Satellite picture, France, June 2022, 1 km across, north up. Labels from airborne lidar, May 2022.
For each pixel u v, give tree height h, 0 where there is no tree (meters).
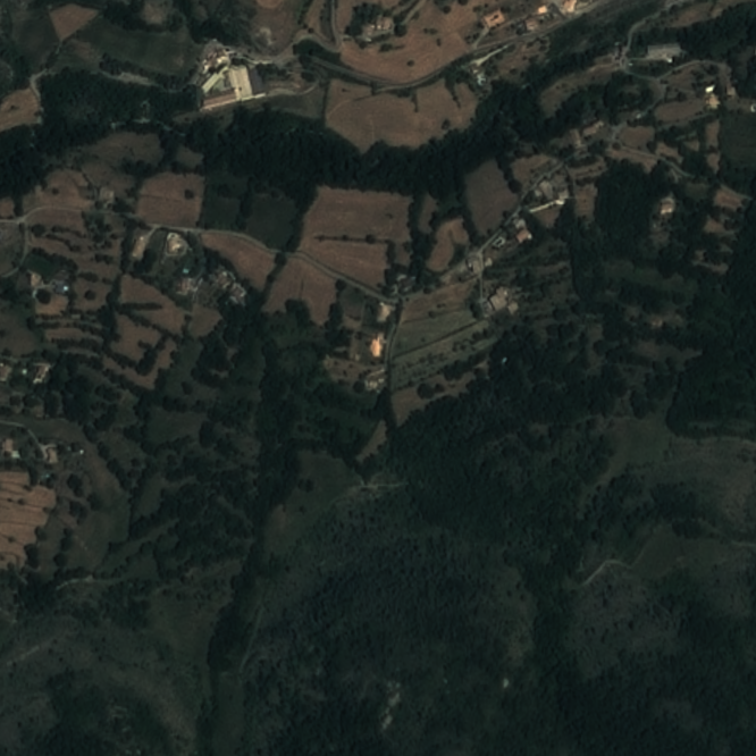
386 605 12
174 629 0
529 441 12
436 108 0
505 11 8
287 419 11
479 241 13
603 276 10
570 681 16
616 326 12
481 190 0
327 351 8
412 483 9
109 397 12
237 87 0
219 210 0
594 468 7
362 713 12
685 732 9
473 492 15
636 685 10
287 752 10
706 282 12
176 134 17
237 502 13
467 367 11
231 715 0
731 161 6
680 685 10
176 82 15
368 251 0
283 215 0
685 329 16
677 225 6
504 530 14
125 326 0
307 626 8
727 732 6
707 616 8
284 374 9
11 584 10
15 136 16
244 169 14
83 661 0
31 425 0
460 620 11
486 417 13
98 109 16
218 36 13
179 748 6
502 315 0
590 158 11
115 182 0
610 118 12
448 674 7
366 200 0
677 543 0
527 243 10
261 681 10
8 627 0
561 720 13
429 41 0
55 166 8
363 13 11
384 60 0
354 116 0
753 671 7
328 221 0
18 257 8
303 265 0
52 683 11
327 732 6
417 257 16
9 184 7
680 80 0
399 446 9
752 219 16
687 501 8
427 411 10
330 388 8
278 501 15
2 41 7
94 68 0
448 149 19
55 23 0
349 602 13
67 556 8
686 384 18
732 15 15
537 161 0
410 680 6
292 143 10
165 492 12
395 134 0
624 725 10
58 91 7
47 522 0
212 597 11
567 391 8
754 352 17
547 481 7
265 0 0
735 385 14
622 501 12
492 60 8
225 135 18
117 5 7
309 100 0
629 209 11
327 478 0
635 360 14
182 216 0
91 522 0
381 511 6
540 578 14
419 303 0
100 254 10
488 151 15
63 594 7
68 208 0
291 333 6
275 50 0
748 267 6
